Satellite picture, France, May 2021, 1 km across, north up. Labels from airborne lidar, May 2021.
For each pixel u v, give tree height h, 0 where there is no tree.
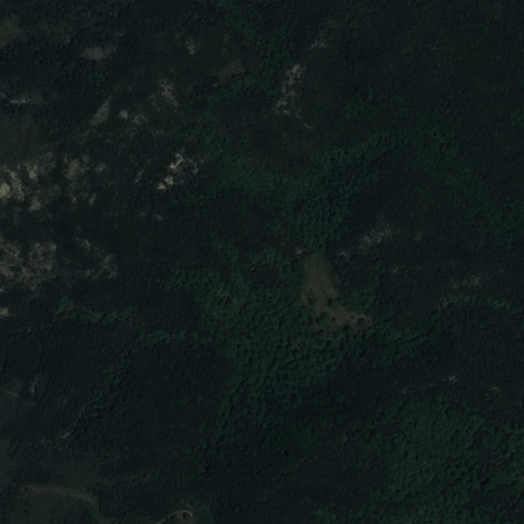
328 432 24
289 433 36
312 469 10
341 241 13
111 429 11
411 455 30
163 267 16
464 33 12
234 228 10
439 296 10
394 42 9
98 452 7
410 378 17
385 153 17
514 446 16
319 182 16
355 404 23
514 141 7
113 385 14
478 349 11
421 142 17
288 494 22
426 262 12
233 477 16
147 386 13
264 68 9
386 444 18
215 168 11
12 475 7
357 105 13
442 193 20
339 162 18
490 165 8
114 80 10
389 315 8
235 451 21
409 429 20
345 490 16
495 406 7
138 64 8
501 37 13
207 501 9
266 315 15
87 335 15
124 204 9
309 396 25
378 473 12
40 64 12
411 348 25
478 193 18
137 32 9
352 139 24
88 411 12
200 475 18
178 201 16
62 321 12
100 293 8
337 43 9
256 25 14
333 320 7
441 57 7
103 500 9
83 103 14
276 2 14
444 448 27
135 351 15
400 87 17
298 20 10
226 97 9
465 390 10
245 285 10
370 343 14
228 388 22
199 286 19
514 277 7
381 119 14
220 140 18
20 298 11
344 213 17
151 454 15
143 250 5
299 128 6
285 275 16
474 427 24
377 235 6
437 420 20
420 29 6
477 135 8
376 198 11
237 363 18
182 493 10
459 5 9
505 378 12
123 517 7
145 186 9
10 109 10
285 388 26
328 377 23
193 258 5
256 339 15
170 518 8
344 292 6
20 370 10
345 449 14
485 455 23
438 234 16
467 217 20
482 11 10
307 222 15
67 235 6
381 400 21
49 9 9
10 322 14
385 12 8
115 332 9
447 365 17
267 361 19
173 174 12
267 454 20
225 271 10
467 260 12
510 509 15
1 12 7
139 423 13
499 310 10
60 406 8
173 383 18
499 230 12
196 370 17
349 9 10
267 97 9
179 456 16
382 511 17
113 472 13
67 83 13
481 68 14
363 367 21
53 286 10
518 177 6
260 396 21
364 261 11
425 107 15
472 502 14
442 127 15
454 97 14
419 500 22
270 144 7
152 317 6
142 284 8
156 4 15
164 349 18
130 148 8
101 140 9
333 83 6
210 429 17
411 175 16
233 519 13
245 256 10
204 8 19
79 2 10
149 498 7
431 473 28
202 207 13
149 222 9
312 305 14
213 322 19
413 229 10
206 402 24
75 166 0
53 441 7
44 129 9
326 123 6
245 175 9
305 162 9
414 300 8
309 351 23
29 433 10
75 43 11
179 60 7
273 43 12
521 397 8
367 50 14
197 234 10
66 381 13
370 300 18
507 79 11
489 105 12
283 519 12
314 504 17
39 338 14
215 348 17
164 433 12
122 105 6
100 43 7
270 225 13
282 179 20
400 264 12
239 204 10
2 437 7
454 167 19
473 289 11
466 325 15
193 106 9
